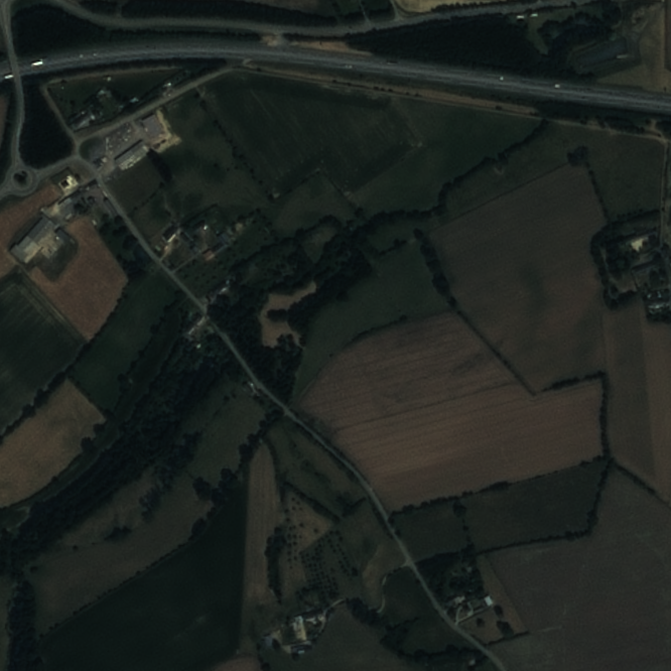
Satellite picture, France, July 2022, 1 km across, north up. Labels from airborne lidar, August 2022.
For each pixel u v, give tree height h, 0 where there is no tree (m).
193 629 0
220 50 0
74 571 0
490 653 0
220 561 0
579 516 0
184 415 27
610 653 0
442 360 0
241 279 11
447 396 0
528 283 0
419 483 0
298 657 12
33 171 0
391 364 0
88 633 0
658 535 0
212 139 0
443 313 0
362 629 0
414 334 0
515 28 10
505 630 16
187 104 0
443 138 0
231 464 0
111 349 0
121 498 0
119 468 29
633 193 0
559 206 0
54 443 0
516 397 0
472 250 0
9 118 10
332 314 0
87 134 0
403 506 0
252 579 0
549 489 0
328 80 0
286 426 0
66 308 0
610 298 13
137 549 0
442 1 0
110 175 0
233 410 0
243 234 0
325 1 0
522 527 0
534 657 0
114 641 0
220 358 17
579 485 0
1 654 0
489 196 0
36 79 11
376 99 0
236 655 0
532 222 0
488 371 0
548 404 0
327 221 13
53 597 0
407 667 0
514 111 0
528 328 0
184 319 11
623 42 0
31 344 0
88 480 17
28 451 0
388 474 0
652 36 0
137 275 14
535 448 0
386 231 0
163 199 0
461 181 9
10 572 21
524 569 0
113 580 0
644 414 0
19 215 0
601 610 0
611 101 0
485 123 0
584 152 19
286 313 14
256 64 0
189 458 18
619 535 0
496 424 0
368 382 0
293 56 0
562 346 0
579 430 0
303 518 0
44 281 0
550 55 11
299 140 0
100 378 0
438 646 0
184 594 0
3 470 0
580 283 0
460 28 15
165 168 14
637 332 0
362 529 0
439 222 0
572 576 0
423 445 0
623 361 0
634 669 0
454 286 0
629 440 0
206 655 0
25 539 23
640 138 0
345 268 12
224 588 0
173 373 11
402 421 0
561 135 0
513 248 0
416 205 0
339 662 0
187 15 12
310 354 0
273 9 11
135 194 0
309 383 0
